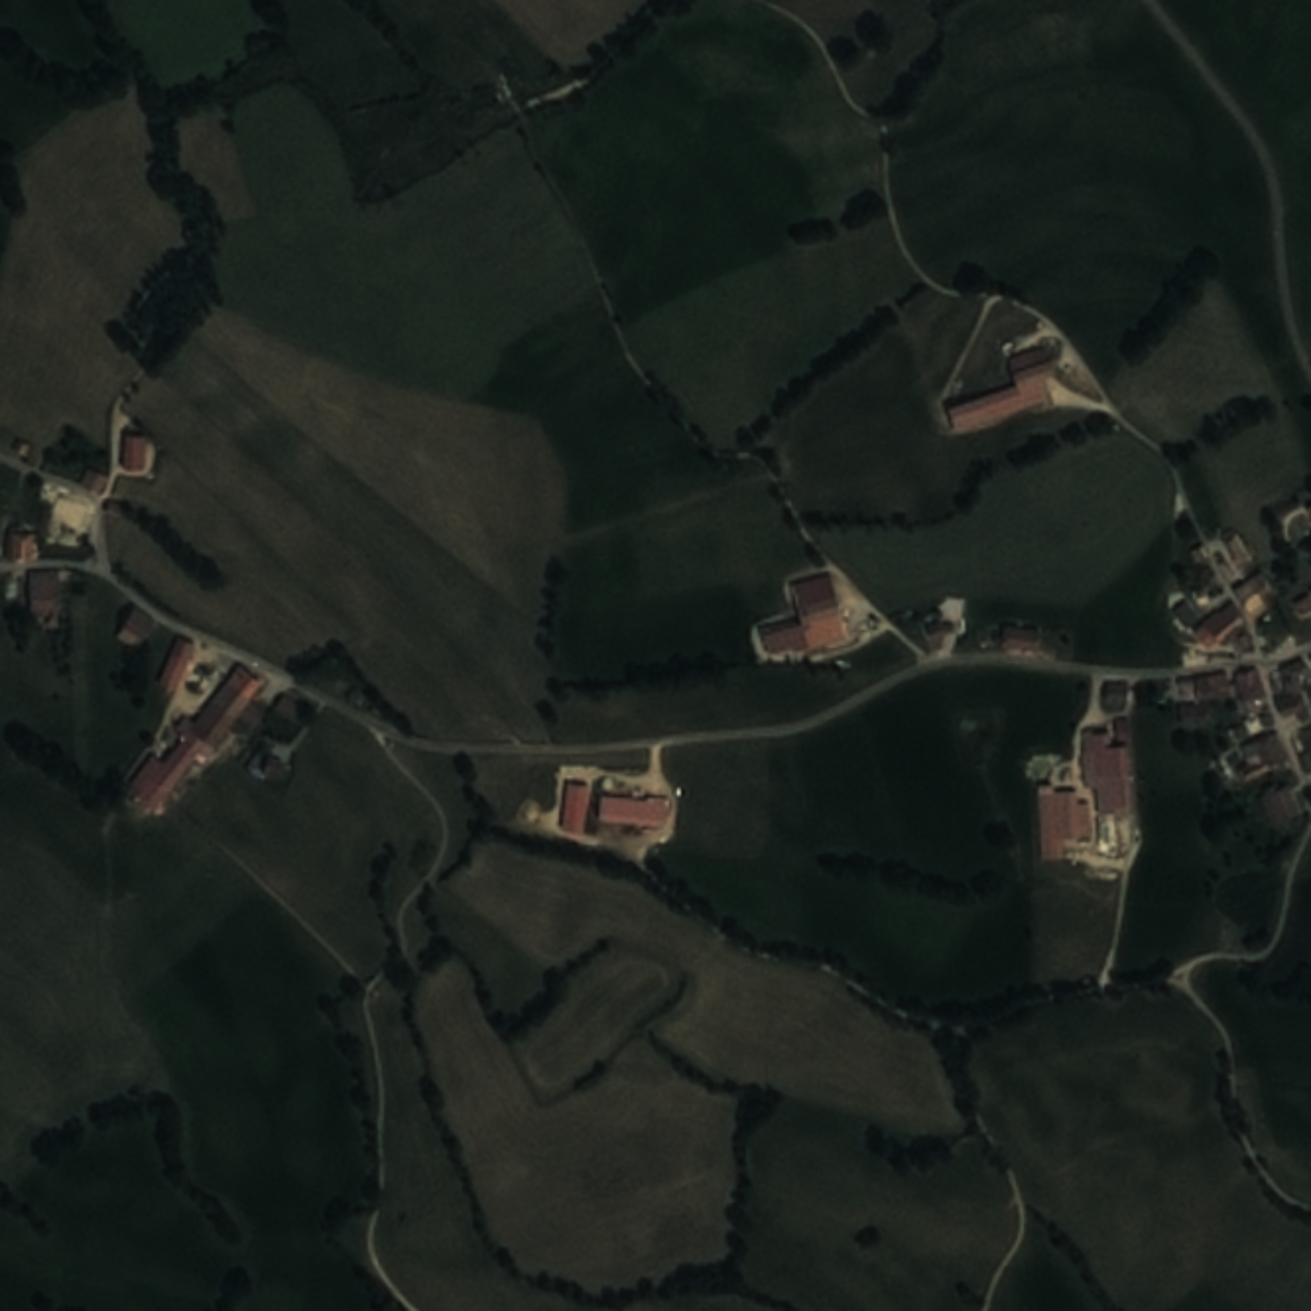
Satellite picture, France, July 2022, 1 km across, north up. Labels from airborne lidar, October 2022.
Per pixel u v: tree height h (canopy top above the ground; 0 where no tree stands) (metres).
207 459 0
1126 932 0
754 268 0
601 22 0
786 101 0
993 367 0
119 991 0
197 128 0
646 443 0
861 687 0
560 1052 0
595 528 0
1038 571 0
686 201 0
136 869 0
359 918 0
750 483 0
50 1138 14
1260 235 0
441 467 0
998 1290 0
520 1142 0
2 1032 0
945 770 0
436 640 0
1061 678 0
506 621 0
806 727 0
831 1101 0
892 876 21
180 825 0
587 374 0
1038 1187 0
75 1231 0
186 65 0
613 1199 0
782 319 0
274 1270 0
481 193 0
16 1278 0
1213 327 0
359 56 0
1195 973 0
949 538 0
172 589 0
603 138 0
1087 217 0
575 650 0
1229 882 0
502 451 0
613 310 0
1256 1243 0
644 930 0
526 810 0
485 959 0
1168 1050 0
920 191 0
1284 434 0
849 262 0
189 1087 0
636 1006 0
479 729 0
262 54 19
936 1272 0
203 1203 17
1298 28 0
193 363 0
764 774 0
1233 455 0
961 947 0
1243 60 0
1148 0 0
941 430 0
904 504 0
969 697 0
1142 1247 0
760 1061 0
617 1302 13
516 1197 0
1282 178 0
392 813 0
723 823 0
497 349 0
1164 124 0
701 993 0
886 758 0
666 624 0
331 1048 0
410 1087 0
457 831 0
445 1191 0
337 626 0
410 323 0
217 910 0
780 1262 0
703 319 0
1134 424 0
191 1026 0
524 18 0
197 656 0
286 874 0
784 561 0
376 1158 16
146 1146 0
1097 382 0
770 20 0
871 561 0
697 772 0
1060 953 0
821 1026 0
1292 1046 0
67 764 23
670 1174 0
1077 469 0
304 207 0
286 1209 0
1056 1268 0
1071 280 0
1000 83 0
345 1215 19
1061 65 0
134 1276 0
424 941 0
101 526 0
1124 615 0
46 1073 0
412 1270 0
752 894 0
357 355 0
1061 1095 0
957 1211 0
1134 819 0
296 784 0
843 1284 0
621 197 0
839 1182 0
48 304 0
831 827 0
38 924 0
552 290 0
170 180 22
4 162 20
